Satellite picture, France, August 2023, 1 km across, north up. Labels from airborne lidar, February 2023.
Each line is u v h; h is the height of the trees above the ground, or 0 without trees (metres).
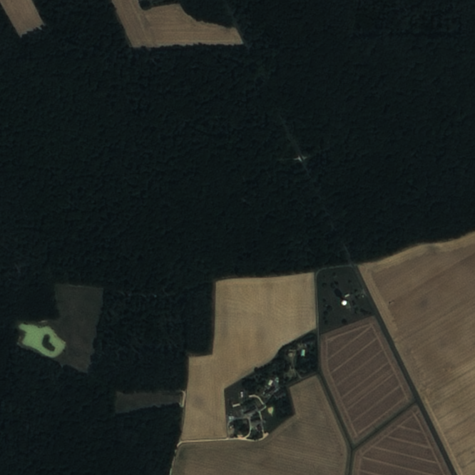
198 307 26
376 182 23
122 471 24
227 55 18
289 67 20
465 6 23
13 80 16
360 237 19
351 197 22
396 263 0
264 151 22
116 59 26
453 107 25
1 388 11
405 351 0
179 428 18
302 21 20
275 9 17
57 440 19
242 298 0
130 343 20
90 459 23
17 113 20
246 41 14
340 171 25
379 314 0
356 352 0
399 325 0
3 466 21
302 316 0
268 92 16
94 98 24
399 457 0
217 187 19
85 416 20
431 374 0
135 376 20
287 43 17
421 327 0
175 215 18
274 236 22
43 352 0
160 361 25
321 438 0
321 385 0
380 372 0
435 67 27
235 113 22
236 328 0
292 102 23
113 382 21
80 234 19
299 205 18
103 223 18
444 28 22
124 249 23
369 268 0
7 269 20
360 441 0
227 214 17
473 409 0
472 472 0
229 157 20
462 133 24
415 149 22
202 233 18
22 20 0
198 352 23
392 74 22
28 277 20
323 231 20
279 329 0
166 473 20
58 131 19
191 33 0
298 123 25
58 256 23
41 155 20
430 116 24
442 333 0
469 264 0
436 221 18
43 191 25
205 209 17
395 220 20
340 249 21
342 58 25
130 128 24
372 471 0
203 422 0
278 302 0
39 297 16
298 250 21
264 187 23
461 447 0
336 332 0
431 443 0
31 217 22
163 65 23
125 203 24
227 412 0
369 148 24
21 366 23
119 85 27
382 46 27
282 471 0
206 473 0
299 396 0
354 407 0
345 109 23
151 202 19
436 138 20
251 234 22
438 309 0
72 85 22
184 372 22
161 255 16
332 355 0
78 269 19
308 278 0
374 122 21
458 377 0
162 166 24
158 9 0
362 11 8
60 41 16
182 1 15
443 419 0
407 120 21
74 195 19
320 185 17
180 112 21
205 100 11
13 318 19
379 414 0
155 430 21
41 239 18
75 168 19
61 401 22
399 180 18
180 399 0
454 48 27
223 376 0
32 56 20
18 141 20
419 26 19
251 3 14
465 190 23
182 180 24
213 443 0
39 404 20
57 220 24
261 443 0
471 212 14
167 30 0
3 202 21
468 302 0
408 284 0
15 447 19
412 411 0
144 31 0
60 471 16
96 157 15
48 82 21
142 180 18
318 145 21
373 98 26
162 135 8
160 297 25
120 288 19
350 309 0
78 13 17
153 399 0
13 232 23
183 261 19
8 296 16
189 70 22
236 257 20
